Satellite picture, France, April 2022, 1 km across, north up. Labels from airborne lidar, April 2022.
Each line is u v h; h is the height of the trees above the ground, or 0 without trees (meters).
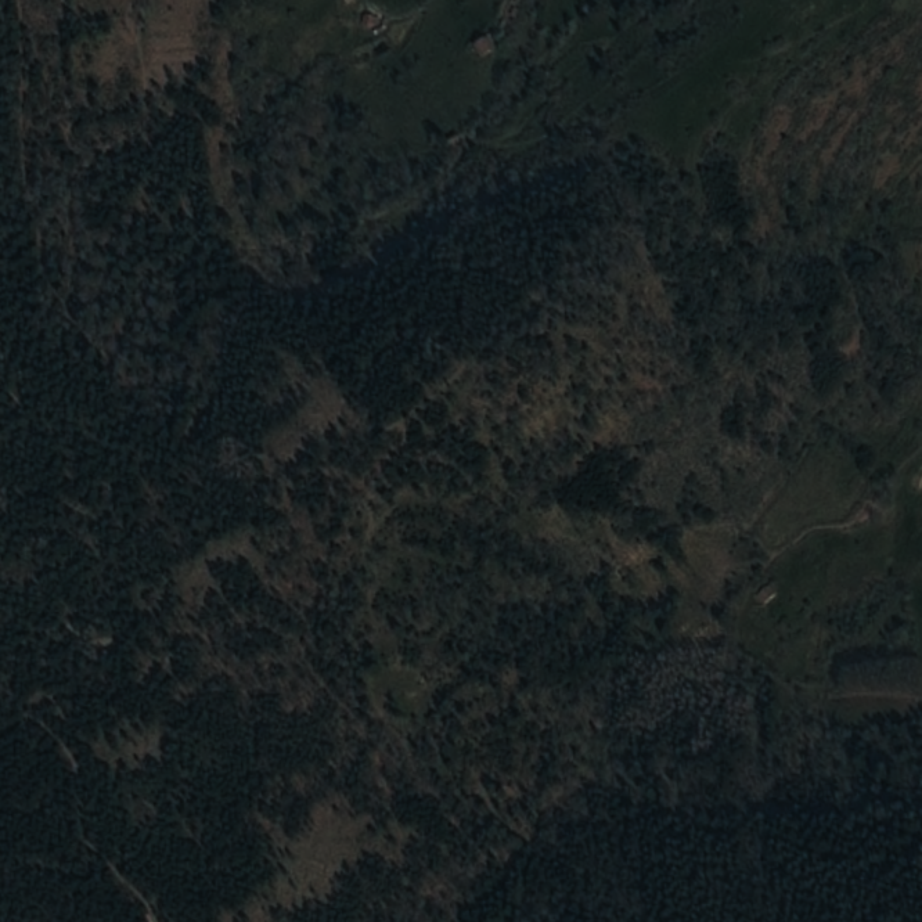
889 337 28
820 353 27
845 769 17
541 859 18
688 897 29
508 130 15
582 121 0
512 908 19
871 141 18
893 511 13
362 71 0
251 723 10
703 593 0
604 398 7
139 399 18
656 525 27
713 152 19
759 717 19
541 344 14
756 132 12
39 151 21
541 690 21
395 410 19
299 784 18
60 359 20
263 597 23
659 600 0
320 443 17
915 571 0
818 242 11
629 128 0
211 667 16
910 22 0
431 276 25
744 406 15
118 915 22
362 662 33
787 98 18
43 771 21
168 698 19
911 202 8
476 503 10
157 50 0
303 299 10
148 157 20
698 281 23
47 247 14
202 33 13
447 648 7
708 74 0
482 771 16
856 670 24
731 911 26
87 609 23
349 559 12
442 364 20
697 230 16
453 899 20
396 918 24
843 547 0
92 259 31
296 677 19
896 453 0
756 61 0
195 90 26
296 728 18
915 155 0
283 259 13
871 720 0
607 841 20
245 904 12
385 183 13
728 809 16
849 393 21
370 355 24
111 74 0
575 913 25
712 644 0
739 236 16
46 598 16
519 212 31
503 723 8
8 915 13
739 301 12
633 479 18
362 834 0
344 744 17
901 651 19
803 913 26
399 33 0
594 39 0
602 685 21
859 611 11
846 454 22
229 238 0
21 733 19
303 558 20
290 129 21
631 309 7
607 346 0
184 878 6
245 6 7
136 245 26
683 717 27
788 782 8
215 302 24
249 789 18
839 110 7
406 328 19
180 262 26
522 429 27
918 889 23
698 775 27
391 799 18
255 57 24
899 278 20
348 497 20
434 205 9
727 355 7
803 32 0
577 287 18
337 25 0
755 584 6
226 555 0
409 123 0
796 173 14
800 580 0
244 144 12
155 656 21
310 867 0
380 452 14
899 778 37
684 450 14
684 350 25
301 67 0
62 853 22
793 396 16
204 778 13
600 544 14
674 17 6
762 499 7
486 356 7
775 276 26
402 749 29
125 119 21
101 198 26
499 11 6
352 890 23
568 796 27
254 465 25
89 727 20
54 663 24
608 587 29
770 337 20
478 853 27
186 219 18
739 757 30
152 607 22
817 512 0
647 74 0
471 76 0
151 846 14
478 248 25
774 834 27
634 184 24
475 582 24
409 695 0
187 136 27
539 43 15
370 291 31
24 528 19
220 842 19
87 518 8
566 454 37
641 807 10
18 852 21
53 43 11
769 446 18
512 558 26
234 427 19
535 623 21
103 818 17
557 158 8
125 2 0
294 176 18
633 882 21
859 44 13
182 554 18
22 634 10
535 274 27
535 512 23
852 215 8
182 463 21
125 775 21
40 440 25
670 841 27
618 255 26
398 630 13
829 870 27
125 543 12
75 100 26
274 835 0
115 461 25
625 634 31
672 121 0
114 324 25
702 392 16
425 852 19
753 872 22
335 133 10
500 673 14
